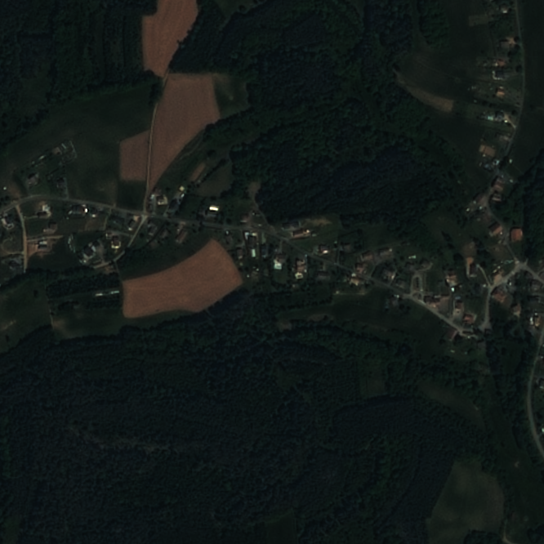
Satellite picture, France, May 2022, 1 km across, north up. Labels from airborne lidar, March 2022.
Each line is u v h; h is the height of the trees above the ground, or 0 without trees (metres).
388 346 21
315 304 8
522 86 0
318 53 27
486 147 0
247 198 15
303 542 10
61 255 0
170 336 21
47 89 0
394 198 8
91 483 35
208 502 15
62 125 0
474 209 0
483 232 0
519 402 18
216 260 0
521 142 0
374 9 26
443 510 0
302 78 30
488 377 7
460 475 0
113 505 25
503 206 21
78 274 15
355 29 22
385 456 17
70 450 21
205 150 0
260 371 20
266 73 31
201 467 10
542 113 0
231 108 0
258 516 33
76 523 14
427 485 19
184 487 12
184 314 0
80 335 0
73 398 29
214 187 0
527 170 0
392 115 18
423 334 0
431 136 17
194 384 7
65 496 31
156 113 0
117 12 16
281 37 20
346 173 27
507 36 0
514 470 0
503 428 0
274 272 9
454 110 0
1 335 0
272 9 20
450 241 16
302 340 5
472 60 0
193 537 21
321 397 12
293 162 17
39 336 13
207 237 0
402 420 15
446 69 0
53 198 0
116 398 16
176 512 20
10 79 25
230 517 24
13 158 0
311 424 19
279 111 25
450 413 6
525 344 22
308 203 18
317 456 21
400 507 18
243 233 0
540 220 15
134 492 16
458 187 0
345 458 17
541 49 0
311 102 25
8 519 26
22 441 22
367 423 17
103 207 0
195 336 30
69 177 0
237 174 15
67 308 9
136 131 0
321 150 21
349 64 17
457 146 0
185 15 0
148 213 0
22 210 0
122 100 0
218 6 13
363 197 11
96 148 0
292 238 0
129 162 0
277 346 10
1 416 27
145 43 0
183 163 0
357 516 16
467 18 0
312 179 12
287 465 15
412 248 0
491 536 9
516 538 0
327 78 27
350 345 21
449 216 0
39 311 0
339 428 19
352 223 7
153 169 0
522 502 0
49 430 26
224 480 10
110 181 0
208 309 0
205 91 0
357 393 6
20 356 6
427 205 19
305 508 22
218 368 32
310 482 21
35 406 29
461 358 0
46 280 17
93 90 23
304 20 26
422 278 0
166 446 22
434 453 17
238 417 22
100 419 22
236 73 13
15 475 29
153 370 7
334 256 0
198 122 0
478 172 0
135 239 0
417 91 0
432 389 0
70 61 20
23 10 27
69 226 0
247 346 35
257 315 26
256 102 20
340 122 22
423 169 17
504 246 0
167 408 18
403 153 31
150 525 23
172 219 0
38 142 0
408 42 22
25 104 0
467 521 0
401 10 14
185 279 0
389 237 0
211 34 18
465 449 9
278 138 20
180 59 16
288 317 0
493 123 0
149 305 0
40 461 37
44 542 15
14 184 0
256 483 18
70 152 0
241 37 18
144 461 35
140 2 10
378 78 22
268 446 23
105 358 11
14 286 13
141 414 18
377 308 0
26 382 29
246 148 12
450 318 0
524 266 0
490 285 0
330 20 21
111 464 29
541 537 29
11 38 25
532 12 0
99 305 6
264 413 16
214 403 29
